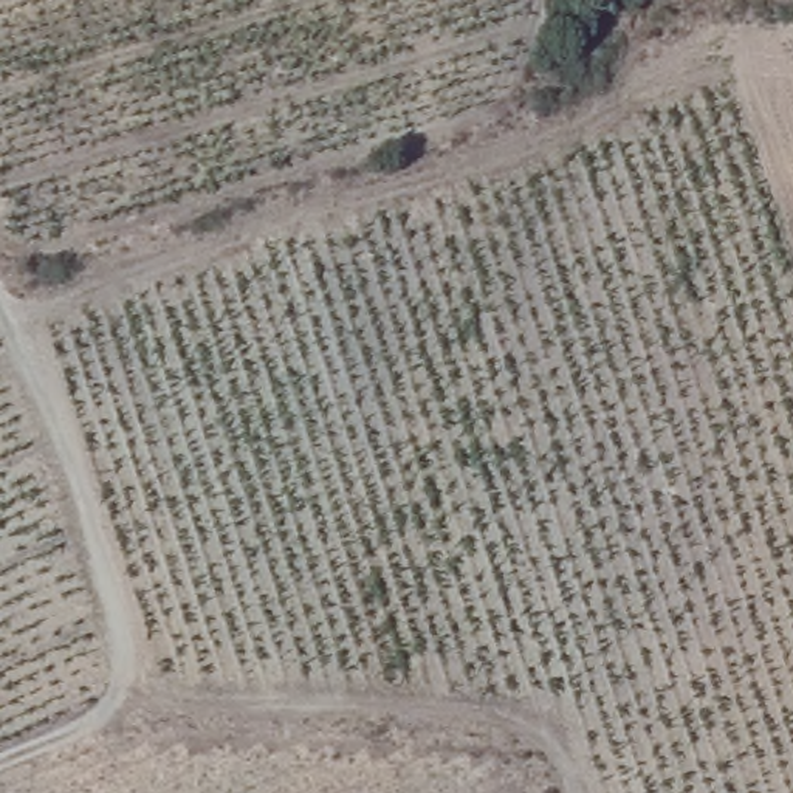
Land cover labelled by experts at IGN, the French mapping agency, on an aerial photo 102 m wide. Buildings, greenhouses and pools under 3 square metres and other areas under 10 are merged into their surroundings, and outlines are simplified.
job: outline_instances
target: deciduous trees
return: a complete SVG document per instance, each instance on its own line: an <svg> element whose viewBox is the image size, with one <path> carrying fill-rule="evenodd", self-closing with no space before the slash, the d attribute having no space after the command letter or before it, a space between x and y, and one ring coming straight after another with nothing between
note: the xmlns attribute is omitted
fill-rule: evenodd
<svg viewBox="0 0 793 793"><path fill-rule="evenodd" d="M381 173L397 173L403 170L403 139L387 139L369 158Z"/></svg>

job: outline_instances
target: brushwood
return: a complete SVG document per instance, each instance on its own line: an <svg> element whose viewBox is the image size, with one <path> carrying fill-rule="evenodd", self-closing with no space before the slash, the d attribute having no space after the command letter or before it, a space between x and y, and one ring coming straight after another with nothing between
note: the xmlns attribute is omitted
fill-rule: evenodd
<svg viewBox="0 0 793 793"><path fill-rule="evenodd" d="M657 37L663 43L675 43L678 37L697 34L703 22L793 22L793 0L545 0L548 19L536 37L533 59L542 71L551 71L558 77L551 87L536 90L536 115L542 118L558 115L561 108L573 108L582 99L610 93L616 65L635 43Z"/></svg>
<svg viewBox="0 0 793 793"><path fill-rule="evenodd" d="M34 291L50 285L68 285L84 269L74 251L62 251L31 254L25 260L31 273L28 282Z"/></svg>
<svg viewBox="0 0 793 793"><path fill-rule="evenodd" d="M173 232L214 232L223 229L235 214L251 214L257 208L254 198L229 198L223 208L177 223Z"/></svg>

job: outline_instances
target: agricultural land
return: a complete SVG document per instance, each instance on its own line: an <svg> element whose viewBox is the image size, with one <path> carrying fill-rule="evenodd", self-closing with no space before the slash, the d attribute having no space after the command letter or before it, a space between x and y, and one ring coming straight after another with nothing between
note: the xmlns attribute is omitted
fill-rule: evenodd
<svg viewBox="0 0 793 793"><path fill-rule="evenodd" d="M743 130L756 142L762 177L774 195L784 242L793 254L793 56L778 50L771 59L762 59L762 50L747 50L734 59L734 99L743 112Z"/></svg>

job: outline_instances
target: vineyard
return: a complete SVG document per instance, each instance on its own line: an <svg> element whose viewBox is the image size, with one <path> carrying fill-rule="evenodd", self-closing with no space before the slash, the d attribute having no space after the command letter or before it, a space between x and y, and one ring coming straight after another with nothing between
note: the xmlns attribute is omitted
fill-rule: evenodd
<svg viewBox="0 0 793 793"><path fill-rule="evenodd" d="M663 43L657 37L635 43L616 65L610 93L582 99L573 108L561 108L558 115L542 118L536 115L536 90L551 87L558 77L551 71L542 71L533 59L536 37L548 19L545 0L0 0L0 793L793 793L793 254L784 242L774 195L762 177L756 142L743 130L743 112L734 99L734 59L747 50L762 50L762 59L771 59L778 50L793 56L793 22L703 22L697 34L678 37L675 43ZM387 139L403 139L403 170L397 173L381 173L369 158ZM223 229L214 232L173 232L177 223L223 208L229 198L254 198L257 208L251 214L235 214ZM31 273L25 260L31 254L62 251L74 251L84 269L68 285L50 285L34 291L28 282Z"/></svg>

